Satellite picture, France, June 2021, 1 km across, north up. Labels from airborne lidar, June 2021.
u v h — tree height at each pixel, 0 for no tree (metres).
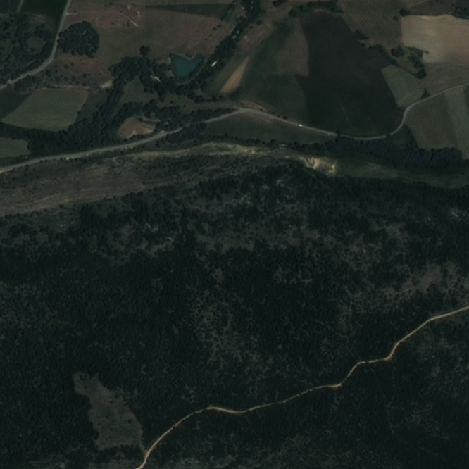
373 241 8
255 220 7
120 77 12
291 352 8
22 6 0
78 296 8
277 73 0
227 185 8
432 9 0
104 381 11
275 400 6
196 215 7
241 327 6
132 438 0
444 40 0
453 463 7
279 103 0
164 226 7
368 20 0
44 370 10
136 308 9
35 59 11
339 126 0
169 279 10
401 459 7
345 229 6
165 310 8
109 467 0
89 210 10
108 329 7
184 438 6
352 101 0
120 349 9
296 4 0
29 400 7
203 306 12
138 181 0
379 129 0
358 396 7
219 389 9
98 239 7
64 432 7
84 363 12
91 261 6
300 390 8
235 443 6
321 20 0
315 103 0
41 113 0
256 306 6
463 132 0
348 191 10
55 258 7
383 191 6
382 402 6
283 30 0
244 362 6
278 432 7
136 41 0
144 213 7
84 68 0
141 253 8
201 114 15
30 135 13
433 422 6
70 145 10
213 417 6
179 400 9
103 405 0
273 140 10
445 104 0
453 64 0
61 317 7
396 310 7
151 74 10
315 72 0
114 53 0
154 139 0
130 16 0
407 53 0
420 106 0
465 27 0
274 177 6
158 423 6
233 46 8
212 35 0
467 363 8
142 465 0
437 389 5
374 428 7
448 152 19
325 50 0
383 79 0
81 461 7
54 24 0
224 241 0
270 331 6
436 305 7
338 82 0
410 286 0
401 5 0
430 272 0
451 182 0
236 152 0
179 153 0
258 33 0
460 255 7
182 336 8
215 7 0
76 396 8
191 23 0
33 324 9
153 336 8
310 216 7
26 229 9
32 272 9
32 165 0
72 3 0
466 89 0
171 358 10
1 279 8
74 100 0
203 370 8
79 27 12
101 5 0
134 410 8
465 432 6
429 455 6
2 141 0
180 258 8
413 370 7
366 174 0
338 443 6
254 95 0
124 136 0
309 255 6
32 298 10
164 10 0
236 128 0
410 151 14
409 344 7
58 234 6
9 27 9
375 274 7
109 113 14
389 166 0
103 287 8
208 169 0
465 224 6
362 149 17
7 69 8
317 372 6
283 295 6
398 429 5
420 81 0
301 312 10
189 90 14
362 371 7
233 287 6
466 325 7
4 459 10
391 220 8
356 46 0
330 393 7
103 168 0
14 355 10
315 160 0
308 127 0
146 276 10
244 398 7
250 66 0
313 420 7
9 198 0
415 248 7
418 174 0
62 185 0
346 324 7
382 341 6
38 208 0
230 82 0
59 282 8
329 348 9
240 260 10
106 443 0
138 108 12
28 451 12
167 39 0
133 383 6
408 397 6
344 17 0
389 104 0
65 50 12
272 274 12
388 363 6
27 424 6
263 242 7
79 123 8
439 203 6
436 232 7
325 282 12
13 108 0
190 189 6
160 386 8
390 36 0
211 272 12
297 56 0
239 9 0
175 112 12
